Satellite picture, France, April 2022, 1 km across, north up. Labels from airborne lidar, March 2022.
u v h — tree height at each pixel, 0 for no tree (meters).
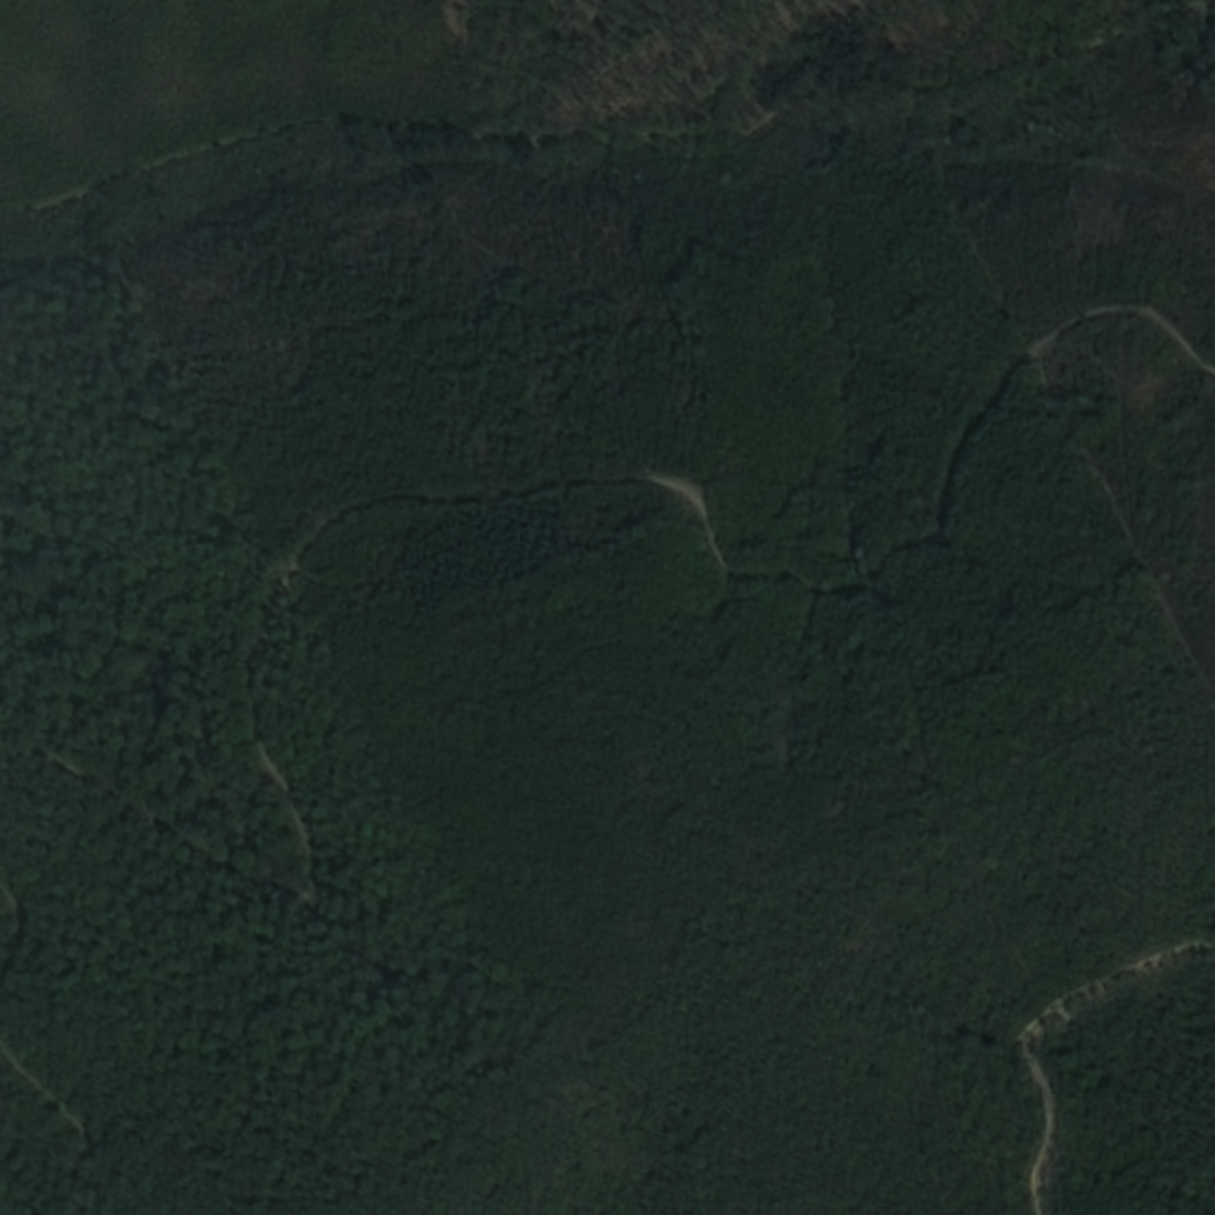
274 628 25
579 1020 17
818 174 20
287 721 21
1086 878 26
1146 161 7
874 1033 21
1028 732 17
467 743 16
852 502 20
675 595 19
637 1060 18
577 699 15
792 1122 17
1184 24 29
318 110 11
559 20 28
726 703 20
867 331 14
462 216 0
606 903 8
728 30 26
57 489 30
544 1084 21
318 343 6
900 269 15
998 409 12
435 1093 21
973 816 23
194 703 34
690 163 14
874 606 18
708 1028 17
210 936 28
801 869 18
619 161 15
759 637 18
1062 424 16
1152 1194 20
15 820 21
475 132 20
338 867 16
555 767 15
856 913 19
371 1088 27
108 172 10
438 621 14
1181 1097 21
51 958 33
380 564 6
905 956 23
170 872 30
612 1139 25
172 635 33
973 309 22
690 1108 17
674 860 14
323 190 8
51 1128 26
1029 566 17
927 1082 17
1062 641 20
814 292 23
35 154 9
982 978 25
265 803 28
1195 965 22
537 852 11
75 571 30
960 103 23
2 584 11
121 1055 23
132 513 27
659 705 16
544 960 15
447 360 10
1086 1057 28
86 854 23
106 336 31
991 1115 23
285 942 22
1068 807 28
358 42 19
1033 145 23
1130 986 20
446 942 23
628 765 15
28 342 22
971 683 20
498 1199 22
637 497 6
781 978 17
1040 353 0
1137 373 0
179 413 34
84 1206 24
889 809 8
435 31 20
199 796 32
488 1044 23
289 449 7
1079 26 23
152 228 7
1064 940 22
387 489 8
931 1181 18
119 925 25
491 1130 19
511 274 8
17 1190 22
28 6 11
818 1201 19
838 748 13
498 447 8
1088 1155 22
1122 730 17
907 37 26
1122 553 16
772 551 25
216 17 10
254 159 6
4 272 21
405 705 14
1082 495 20
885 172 12
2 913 29
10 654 24
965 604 13
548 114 24
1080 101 27
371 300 7
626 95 20
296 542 9
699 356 20
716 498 10
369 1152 23
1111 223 0
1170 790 18
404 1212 20
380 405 9
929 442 16
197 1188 22
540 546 7
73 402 28
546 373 9
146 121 11
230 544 27
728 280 22
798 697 21
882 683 23
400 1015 26
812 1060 18
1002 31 25
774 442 14
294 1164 21
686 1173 23
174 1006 25
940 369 19
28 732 20
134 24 7
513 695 13
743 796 11
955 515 20
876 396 16
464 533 11
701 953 20
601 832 12
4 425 25
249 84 18
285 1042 16
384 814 22
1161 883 21
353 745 24
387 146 27
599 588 16
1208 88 30
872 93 24
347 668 14
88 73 13
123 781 24
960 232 14
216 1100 24
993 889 22
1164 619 23
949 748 26
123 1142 25
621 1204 19
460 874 16
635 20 23
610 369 8
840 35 24
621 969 14
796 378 20
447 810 15
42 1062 21
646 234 16
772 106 29
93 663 32
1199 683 20
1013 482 20
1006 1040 25
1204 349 8
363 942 34
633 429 7
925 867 19
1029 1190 25
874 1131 18
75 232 8
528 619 14
